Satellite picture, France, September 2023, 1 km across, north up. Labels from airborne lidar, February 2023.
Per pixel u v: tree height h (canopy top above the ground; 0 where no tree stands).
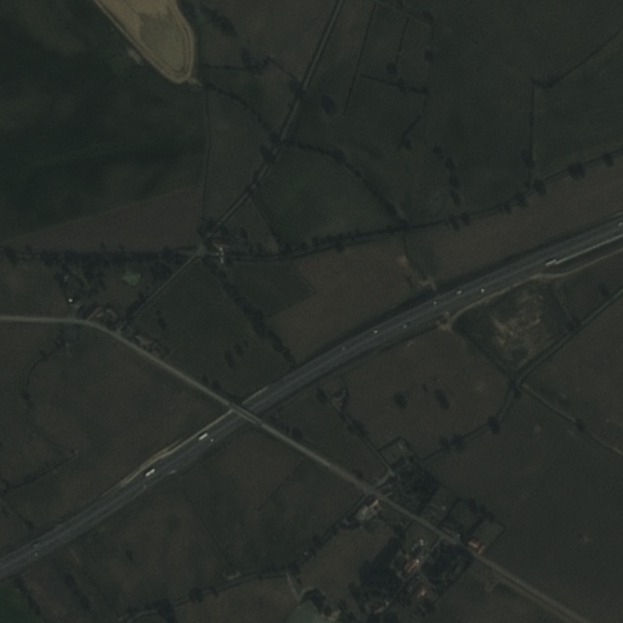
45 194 0
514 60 0
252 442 0
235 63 0
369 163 0
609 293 18
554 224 0
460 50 0
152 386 0
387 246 0
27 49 0
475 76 0
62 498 0
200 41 0
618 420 0
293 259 0
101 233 0
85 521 0
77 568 0
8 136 0
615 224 0
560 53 0
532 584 0
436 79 0
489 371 0
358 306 0
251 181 0
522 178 0
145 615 0
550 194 0
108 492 0
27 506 0
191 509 0
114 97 0
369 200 0
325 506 0
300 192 0
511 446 0
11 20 0
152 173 0
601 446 0
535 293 0
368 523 10
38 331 0
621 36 0
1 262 0
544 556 0
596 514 0
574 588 0
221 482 0
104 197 0
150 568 0
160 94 0
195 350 0
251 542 0
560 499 0
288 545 0
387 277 0
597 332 0
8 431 0
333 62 0
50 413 0
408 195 0
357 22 0
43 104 0
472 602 0
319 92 0
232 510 0
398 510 0
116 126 0
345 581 0
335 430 0
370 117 0
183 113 0
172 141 0
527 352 0
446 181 0
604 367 0
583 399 0
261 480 0
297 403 0
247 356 0
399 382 0
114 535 0
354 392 0
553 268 0
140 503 0
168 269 8
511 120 0
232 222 0
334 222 0
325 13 0
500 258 0
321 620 0
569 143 0
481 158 0
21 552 0
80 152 0
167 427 0
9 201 0
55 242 0
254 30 0
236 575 0
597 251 0
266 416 0
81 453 0
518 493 0
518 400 0
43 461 0
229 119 0
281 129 0
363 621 0
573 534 0
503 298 0
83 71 0
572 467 0
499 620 0
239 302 14
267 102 0
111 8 0
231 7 0
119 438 0
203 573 0
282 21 0
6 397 0
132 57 0
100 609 0
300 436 12
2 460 0
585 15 0
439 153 14
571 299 0
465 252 0
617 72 0
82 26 0
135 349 0
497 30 0
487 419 0
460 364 0
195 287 0
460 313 0
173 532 0
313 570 0
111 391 0
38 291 0
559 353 0
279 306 0
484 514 13
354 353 0
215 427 0
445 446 18
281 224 0
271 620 0
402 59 0
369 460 0
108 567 0
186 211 0
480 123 0
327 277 0
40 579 0
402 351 0
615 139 0
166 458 0
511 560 0
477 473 0
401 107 0
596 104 0
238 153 0
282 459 0
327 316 0
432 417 0
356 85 0
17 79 0
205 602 0
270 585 0
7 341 0
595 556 0
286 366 0
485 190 0
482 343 0
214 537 0
